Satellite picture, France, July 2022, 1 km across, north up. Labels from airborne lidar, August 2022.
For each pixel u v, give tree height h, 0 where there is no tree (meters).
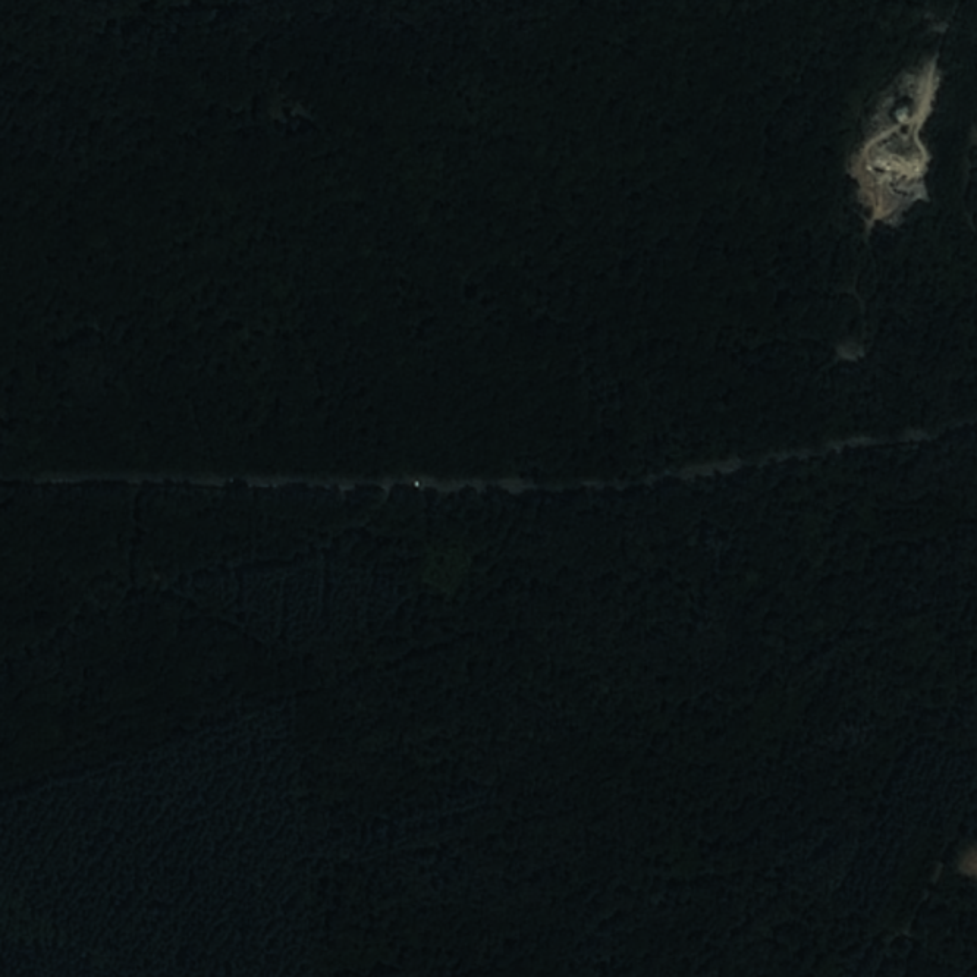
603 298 22
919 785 24
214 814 28
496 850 20
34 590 23
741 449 20
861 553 21
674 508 24
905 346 23
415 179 23
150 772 28
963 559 21
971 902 9
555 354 24
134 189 17
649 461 26
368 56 20
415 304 10
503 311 27
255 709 23
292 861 23
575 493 19
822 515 15
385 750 18
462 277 20
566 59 17
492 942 19
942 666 11
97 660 19
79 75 8
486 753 22
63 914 29
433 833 21
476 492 10
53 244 19
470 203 23
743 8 14
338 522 18
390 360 24
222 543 17
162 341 22
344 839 26
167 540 21
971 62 11
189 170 20
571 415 26
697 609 7
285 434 18
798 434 21
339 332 20
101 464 20
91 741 19
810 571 22
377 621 20
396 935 20
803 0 20
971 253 12
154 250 20
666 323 25
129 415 23
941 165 12
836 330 20
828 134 22
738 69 19
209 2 8
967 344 10
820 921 10
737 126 24
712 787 21
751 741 9
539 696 20
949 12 8
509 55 19
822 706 19
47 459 20
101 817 22
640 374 20
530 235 20
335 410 19
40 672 27
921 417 15
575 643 22
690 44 15
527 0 20
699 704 14
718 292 26
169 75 19
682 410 18
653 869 22
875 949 20
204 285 11
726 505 17
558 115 16
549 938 25
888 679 11
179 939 21
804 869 25
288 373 19
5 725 26
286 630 27
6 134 17
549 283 19
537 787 14
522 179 19
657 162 24
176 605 22
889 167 0
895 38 14
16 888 31
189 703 25
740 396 22
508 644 21
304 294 18
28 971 28
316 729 20
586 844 18
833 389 14
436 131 19
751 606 26
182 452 22
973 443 15
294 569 28
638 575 17
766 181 23
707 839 8
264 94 25
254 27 23
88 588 23
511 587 18
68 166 18
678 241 26
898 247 18
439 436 20
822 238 20
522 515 20
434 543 8
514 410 25
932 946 14
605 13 22
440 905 18
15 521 26
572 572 22
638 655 21
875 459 19
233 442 15
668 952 21
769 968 21
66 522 21
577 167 21
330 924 20
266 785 26
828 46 18
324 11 20
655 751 25
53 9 15
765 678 16
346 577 29
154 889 27
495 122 20
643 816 16
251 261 14
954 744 11
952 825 16
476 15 21
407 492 18
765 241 27
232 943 23
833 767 23
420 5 21
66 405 23
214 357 19
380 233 18
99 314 23
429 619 19
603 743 16
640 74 20
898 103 7
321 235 17
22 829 26
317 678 19
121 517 21
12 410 20
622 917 24
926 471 18
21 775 19
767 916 22
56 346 22
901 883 9
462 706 24
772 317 11
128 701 26
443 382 22
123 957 28
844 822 23
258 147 25
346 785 19
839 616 10
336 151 22
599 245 24
